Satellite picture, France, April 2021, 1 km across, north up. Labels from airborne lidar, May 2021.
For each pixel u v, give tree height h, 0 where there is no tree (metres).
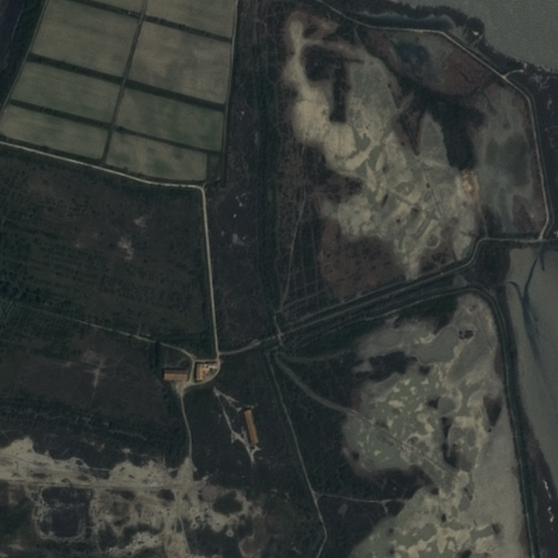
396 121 0
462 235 0
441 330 0
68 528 0
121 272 0
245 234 0
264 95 7
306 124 0
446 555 0
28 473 0
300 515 0
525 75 0
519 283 0
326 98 0
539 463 0
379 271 0
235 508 0
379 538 0
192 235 0
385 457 0
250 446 0
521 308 0
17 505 0
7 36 0
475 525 0
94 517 0
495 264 0
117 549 0
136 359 0
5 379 0
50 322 9
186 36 0
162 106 0
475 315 0
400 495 0
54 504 0
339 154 0
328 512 0
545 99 0
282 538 0
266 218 8
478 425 0
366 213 0
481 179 0
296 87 0
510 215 0
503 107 0
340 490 7
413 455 0
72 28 0
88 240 0
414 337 0
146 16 0
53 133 0
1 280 8
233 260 0
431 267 0
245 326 0
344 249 0
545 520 0
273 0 0
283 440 0
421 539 0
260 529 0
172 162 0
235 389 0
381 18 0
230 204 0
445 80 0
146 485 0
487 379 0
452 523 0
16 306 14
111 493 0
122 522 0
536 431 0
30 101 0
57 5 0
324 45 0
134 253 0
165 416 0
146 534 0
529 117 6
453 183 0
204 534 0
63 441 0
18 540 0
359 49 0
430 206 0
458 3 0
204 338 6
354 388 0
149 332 0
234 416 0
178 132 0
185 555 0
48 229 0
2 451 0
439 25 0
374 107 0
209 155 0
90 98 0
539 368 0
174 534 0
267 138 6
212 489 0
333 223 0
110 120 0
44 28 0
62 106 0
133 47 0
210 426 0
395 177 0
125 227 0
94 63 0
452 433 0
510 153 0
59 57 0
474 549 0
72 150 0
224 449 0
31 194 0
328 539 0
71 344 0
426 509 0
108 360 0
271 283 7
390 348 0
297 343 0
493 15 0
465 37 0
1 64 0
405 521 0
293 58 0
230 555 0
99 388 0
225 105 0
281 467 0
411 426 0
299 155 0
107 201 0
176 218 0
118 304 0
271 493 0
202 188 0
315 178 0
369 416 0
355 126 0
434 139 0
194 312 0
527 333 0
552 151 0
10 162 0
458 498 0
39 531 0
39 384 0
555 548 0
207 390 0
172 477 0
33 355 0
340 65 0
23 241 7
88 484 0
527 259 0
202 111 0
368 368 0
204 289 7
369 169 0
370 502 0
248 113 0
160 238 0
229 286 0
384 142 0
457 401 0
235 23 0
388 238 0
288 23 0
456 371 0
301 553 0
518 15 0
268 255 8
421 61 0
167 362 0
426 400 0
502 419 0
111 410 0
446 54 0
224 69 0
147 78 0
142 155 0
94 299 0
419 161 0
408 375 0
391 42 0
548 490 0
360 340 0
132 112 0
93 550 0
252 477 0
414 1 0
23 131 0
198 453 0
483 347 0
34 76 0
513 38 0
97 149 0
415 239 0
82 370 0
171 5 0
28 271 7
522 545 0
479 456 0
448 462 0
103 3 0
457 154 0
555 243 0
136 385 0
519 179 0
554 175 0
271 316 6
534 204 0
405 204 0
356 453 0
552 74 0
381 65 0
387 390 0
